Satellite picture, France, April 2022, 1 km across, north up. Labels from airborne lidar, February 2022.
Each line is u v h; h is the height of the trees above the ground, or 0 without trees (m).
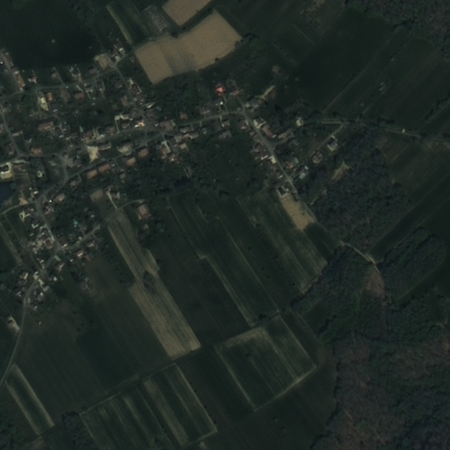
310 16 0
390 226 17
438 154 0
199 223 0
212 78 0
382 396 32
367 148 26
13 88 0
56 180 0
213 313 0
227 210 0
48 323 0
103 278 0
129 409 0
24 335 0
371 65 0
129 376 0
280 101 0
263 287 0
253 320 0
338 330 17
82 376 0
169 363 0
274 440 0
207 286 0
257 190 12
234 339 0
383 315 18
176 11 0
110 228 0
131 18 0
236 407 0
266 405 0
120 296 0
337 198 26
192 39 0
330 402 0
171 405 0
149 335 0
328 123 0
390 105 0
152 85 8
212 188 6
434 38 20
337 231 27
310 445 0
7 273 11
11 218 0
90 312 0
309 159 9
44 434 0
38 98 0
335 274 27
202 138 0
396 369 32
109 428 0
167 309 0
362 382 32
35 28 0
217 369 0
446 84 0
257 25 0
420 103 0
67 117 8
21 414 0
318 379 0
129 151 0
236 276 0
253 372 0
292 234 0
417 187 0
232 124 0
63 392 0
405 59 0
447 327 0
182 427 0
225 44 0
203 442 0
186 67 0
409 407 28
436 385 11
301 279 0
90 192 12
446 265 0
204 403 0
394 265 25
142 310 0
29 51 0
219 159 0
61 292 0
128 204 0
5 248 0
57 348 0
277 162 0
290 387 0
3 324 0
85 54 0
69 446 0
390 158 0
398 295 22
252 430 0
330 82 0
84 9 12
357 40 0
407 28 23
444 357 25
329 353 0
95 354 0
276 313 0
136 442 0
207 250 0
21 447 11
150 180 9
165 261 0
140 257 0
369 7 24
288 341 0
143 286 0
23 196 0
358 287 26
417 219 0
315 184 24
